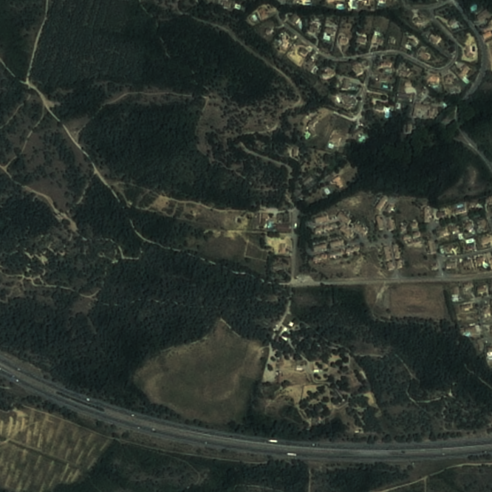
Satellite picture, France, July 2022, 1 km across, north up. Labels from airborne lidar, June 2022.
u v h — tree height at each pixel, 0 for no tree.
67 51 8
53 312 13
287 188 8
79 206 8
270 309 13
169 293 12
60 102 15
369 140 13
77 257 10
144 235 11
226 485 16
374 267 0
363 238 0
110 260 11
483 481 0
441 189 13
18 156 8
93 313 9
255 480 12
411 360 8
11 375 0
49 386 0
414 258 0
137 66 7
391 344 7
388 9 12
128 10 8
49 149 6
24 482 0
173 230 10
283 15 12
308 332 17
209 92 13
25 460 0
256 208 13
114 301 13
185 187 14
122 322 11
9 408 10
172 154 10
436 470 0
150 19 8
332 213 0
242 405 0
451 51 9
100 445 0
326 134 0
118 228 13
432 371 13
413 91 0
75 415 7
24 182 10
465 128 18
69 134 0
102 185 17
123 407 6
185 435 0
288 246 0
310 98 10
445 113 16
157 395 0
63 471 0
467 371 7
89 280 9
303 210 13
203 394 0
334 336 10
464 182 0
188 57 12
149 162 6
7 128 6
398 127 11
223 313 18
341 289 8
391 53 0
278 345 12
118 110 7
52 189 0
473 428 13
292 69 9
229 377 0
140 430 0
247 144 11
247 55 11
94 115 6
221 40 12
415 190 7
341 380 9
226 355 0
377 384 13
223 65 9
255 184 12
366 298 0
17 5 8
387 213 6
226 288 15
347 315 8
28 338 14
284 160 9
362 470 10
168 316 12
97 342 12
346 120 0
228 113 9
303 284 0
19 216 12
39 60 7
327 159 15
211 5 15
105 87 7
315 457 0
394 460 0
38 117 11
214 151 9
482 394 10
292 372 0
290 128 9
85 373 14
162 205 0
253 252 0
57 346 12
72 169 12
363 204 0
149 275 15
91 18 7
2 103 7
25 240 13
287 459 0
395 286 0
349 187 9
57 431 0
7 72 11
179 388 0
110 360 8
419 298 0
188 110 15
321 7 7
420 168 12
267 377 0
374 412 12
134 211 11
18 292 0
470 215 13
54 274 10
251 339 17
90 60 7
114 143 11
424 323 6
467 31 10
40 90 9
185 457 6
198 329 6
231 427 15
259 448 0
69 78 6
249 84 11
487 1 20
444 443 0
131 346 13
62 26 8
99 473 7
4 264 8
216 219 0
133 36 8
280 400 0
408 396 7
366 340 8
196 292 9
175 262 14
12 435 0
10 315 12
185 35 12
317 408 16
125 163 13
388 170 15
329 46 6
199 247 12
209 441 0
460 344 13
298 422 0
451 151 9
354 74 9
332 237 7
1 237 14
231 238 0
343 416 0
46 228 8
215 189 15
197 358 0
